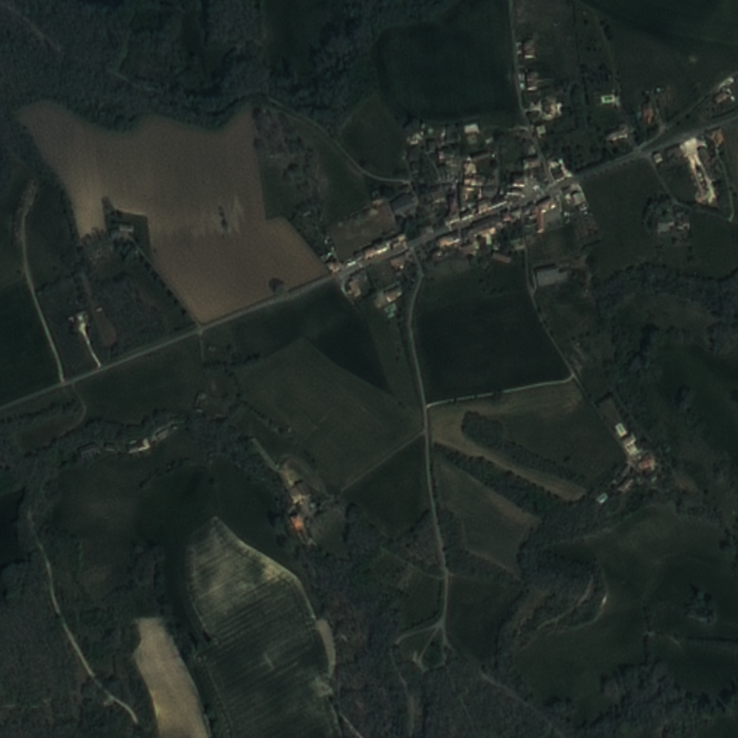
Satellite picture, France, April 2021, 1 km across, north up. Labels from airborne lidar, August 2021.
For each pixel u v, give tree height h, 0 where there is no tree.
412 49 0
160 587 15
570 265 0
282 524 15
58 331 0
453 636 0
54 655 15
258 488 0
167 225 0
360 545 16
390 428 0
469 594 0
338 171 0
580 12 0
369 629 12
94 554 0
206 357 0
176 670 0
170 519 0
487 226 0
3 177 18
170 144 0
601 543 0
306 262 0
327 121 16
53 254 0
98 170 0
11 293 0
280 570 0
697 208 10
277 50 0
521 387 0
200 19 0
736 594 0
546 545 9
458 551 9
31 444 0
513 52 0
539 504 12
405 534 0
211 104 22
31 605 15
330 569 19
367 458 0
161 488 0
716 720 21
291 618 0
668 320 0
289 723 0
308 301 0
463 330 0
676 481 12
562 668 0
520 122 0
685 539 0
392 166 0
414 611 0
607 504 14
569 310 0
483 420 11
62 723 10
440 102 0
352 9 15
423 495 0
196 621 0
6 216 0
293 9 0
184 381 0
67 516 0
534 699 16
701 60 0
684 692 6
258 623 0
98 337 11
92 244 14
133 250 10
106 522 0
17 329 0
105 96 20
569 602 9
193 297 0
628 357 7
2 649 14
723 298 7
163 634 0
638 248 0
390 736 7
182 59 8
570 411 0
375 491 0
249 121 0
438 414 0
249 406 5
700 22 0
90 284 11
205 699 0
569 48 0
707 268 0
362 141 0
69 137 0
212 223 0
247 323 0
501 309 0
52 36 26
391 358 0
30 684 11
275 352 0
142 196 0
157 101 17
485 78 0
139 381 0
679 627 0
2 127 14
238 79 16
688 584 0
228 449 20
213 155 0
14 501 0
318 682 0
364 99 8
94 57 21
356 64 9
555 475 8
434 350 0
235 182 0
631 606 0
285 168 0
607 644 0
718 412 0
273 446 0
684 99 0
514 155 0
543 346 0
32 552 13
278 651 0
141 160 0
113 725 15
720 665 0
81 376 0
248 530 0
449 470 0
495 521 0
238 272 0
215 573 0
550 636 0
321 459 0
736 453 0
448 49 0
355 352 0
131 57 11
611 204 0
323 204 15
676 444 0
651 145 0
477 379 0
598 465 0
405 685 9
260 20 21
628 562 0
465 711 15
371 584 13
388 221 0
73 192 0
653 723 14
